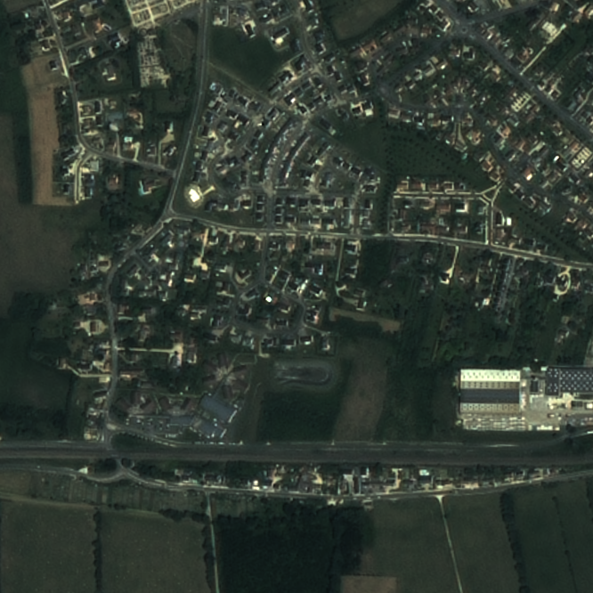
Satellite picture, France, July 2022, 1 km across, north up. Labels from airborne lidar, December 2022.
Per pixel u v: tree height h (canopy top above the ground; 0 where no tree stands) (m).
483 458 0
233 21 0
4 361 0
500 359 12
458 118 0
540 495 0
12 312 6
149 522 0
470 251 0
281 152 0
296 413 6
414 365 7
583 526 0
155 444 0
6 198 0
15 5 0
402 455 0
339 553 16
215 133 0
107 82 0
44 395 0
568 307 13
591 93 0
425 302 8
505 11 0
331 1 0
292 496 0
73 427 0
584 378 0
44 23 8
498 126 0
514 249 0
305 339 0
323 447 0
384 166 0
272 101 0
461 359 10
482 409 0
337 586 14
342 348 0
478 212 0
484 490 0
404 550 0
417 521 0
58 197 0
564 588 0
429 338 0
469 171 0
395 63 11
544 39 0
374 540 0
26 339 0
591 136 0
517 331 6
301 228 0
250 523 16
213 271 6
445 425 0
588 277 12
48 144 0
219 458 0
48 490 0
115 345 0
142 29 0
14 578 0
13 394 0
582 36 0
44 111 0
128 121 11
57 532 0
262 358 0
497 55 0
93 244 6
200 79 0
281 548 7
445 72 0
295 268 7
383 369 0
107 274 0
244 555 7
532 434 0
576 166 0
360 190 0
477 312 7
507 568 0
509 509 13
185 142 0
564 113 0
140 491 0
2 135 0
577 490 0
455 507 0
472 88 0
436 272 7
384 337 6
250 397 0
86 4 0
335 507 16
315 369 0
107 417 0
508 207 0
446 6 0
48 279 0
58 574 0
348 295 7
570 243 9
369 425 0
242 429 0
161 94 0
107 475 0
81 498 0
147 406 0
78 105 0
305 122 0
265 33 0
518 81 8
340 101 0
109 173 10
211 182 0
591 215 0
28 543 0
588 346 5
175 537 0
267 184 0
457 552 0
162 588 0
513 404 0
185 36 0
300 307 6
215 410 0
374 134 0
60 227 0
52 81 0
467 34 0
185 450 0
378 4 0
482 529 0
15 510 0
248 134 0
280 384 0
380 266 7
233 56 0
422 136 13
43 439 0
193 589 0
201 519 18
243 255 9
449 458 0
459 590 0
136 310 9
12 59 0
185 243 0
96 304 8
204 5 0
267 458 0
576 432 9
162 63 6
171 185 6
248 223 0
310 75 0
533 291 6
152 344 9
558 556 0
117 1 0
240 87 0
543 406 0
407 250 0
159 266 0
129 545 0
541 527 0
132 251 0
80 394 0
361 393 0
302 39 0
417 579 0
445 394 0
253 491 0
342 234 0
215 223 0
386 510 0
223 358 0
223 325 0
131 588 0
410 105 0
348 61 6
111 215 8
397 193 0
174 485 0
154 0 0
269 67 0
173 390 9
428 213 0
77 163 0
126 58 9
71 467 0
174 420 0
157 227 0
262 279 0
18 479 0
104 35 0
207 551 19
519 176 0
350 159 0
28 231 0
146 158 0
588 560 0
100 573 12
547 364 11
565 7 6
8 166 0
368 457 0
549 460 0
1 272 0
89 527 0
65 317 6
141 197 0
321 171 0
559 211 0
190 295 11
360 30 0
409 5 6
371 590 0
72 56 13
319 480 0
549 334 0
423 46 6
